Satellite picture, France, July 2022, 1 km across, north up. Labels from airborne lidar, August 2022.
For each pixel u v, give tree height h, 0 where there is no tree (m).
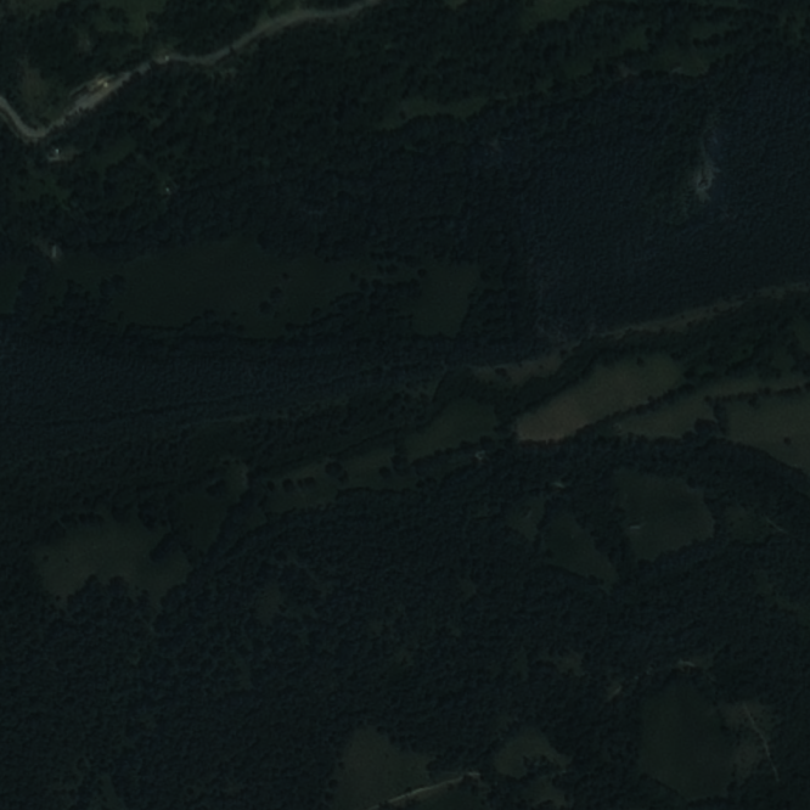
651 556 0
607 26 24
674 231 19
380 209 33
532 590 23
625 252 22
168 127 12
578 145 17
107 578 0
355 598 16
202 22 11
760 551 13
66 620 9
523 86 11
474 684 18
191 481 10
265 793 16
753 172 20
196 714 16
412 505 9
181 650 14
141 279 0
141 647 18
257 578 10
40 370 21
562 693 12
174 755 16
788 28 11
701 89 19
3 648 11
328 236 20
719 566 15
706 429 23
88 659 16
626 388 0
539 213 22
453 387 9
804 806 8
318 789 10
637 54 23
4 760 12
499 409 12
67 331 23
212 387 18
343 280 0
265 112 17
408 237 19
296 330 16
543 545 15
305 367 20
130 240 29
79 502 18
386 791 0
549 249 20
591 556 0
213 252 0
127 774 12
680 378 0
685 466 11
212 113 9
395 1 19
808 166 27
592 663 17
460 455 7
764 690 16
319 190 26
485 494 13
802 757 12
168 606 18
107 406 18
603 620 22
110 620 21
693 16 8
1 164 22
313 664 20
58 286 0
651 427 0
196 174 8
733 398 6
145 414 15
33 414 16
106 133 19
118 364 22
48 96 0
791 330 18
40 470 19
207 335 7
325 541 19
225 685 20
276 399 15
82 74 11
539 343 17
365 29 7
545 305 18
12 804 18
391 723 11
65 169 19
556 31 27
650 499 0
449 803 0
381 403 7
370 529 22
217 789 9
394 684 18
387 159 28
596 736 17
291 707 17
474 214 33
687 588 11
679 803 17
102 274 0
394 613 18
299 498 0
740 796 14
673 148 17
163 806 20
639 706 18
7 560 16
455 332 0
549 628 12
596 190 21
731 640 10
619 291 18
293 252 26
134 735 20
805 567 9
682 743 0
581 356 8
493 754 21
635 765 18
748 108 18
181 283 0
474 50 19
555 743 13
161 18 10
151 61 10
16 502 9
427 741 17
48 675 15
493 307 19
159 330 9
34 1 0
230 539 19
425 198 28
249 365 21
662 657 12
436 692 10
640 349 15
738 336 16
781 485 21
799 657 16
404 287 18
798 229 17
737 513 0
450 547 22
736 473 13
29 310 26
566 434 0
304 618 0
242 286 0
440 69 20
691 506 0
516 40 26
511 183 13
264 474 18
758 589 13
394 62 16
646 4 11
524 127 24
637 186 20
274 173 25
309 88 22
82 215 28
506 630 13
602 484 15
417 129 27
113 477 18
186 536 22
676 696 0
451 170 26
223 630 13
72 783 11
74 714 14
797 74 27
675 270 18
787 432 0
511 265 16
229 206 23
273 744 10
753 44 14
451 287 0
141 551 0
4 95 11
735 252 17
